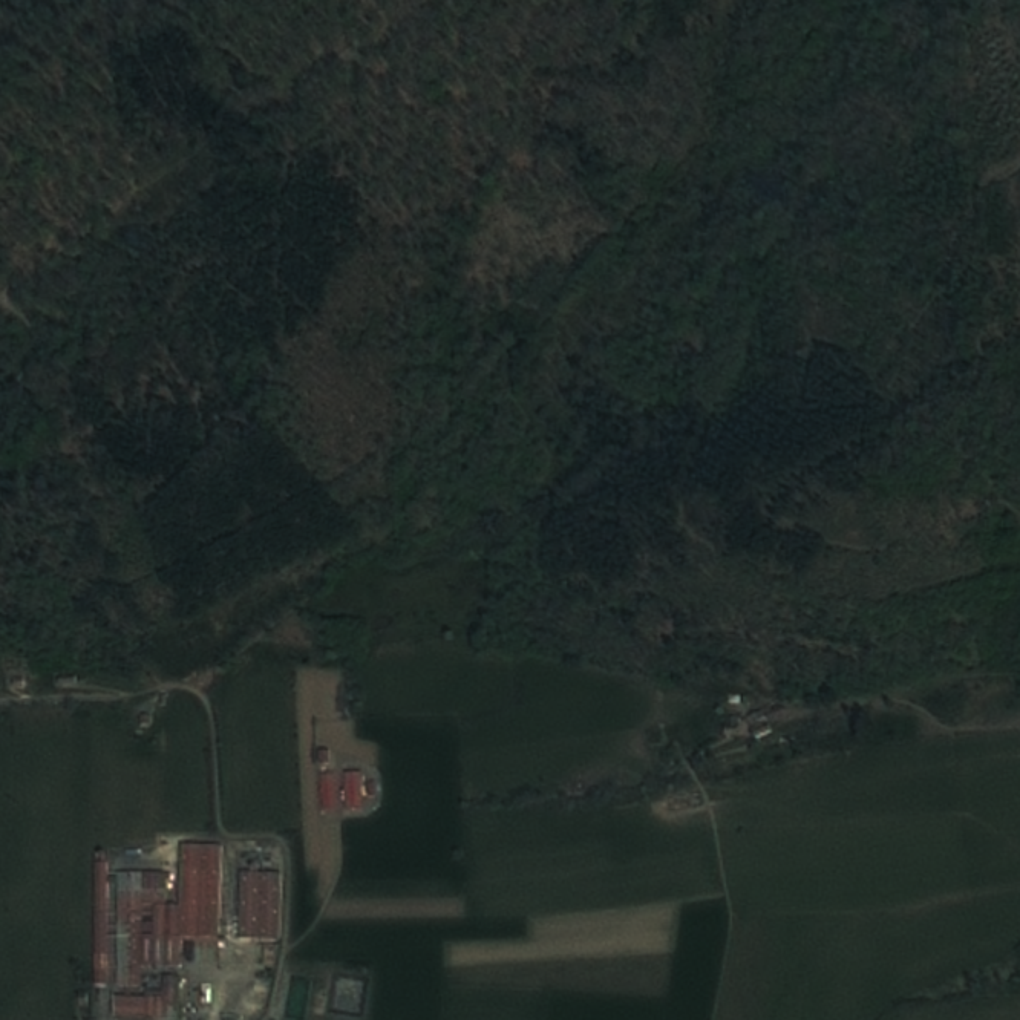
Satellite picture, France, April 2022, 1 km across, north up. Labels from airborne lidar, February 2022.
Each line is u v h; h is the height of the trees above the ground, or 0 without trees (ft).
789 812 0
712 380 90
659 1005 0
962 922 0
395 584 0
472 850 0
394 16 79
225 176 42
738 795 0
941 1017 0
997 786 0
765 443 82
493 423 51
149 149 77
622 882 0
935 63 87
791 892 0
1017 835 0
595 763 0
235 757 0
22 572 91
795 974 0
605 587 56
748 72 69
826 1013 0
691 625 90
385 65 74
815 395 76
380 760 0
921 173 45
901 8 99
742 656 61
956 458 87
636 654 110
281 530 75
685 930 0
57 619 71
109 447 28
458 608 0
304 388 35
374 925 0
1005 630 34
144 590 49
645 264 73
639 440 96
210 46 85
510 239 0
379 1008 0
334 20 88
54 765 0
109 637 24
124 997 0
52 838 0
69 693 0
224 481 91
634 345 57
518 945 0
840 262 46
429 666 0
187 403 33
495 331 25
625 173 89
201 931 0
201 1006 0
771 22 99
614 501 86
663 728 0
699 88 119
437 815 0
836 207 88
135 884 0
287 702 0
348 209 32
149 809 0
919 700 0
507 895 0
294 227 37
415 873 0
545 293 76
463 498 85
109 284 57
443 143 99
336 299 34
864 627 74
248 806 0
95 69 89
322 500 88
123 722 0
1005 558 68
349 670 50
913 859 0
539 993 0
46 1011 0
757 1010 0
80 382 42
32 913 0
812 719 0
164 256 28
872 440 71
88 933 0
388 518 85
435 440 85
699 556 72
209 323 26
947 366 38
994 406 79
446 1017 0
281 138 91
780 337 52
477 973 0
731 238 81
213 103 77
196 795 0
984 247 19
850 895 0
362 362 37
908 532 46
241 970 0
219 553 75
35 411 77
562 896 0
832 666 76
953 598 78
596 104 98
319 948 0
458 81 99
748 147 78
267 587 0
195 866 0
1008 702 0
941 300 36
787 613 79
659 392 81
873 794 0
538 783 0
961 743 0
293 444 64
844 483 53
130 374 35
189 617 88
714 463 82
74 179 104
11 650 50
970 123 26
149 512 62
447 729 0
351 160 79
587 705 0
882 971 0
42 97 90
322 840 0
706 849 0
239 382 31
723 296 75
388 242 31
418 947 0
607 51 82
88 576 63
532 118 83
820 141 94
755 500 54
